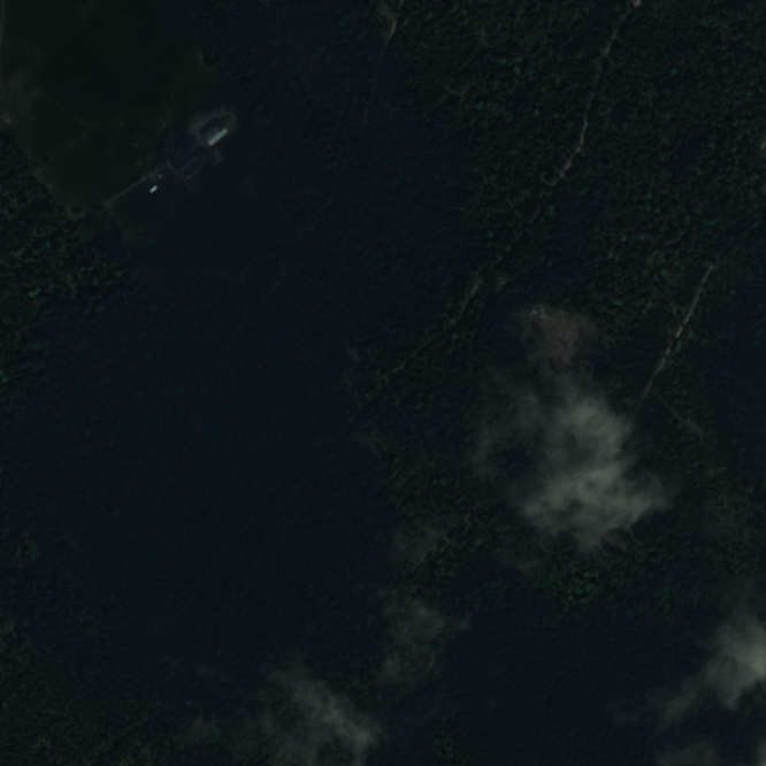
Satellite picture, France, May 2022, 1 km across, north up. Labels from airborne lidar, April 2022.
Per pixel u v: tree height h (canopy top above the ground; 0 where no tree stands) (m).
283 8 21
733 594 23
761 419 25
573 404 16
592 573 23
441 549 18
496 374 19
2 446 28
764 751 15
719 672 25
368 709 24
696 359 7
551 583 18
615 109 7
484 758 21
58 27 0
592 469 20
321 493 18
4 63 0
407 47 10
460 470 23
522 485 24
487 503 25
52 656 23
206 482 20
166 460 26
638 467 12
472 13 6
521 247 17
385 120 16
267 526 25
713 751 25
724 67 25
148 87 0
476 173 8
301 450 26
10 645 23
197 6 21
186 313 20
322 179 8
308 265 25
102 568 21
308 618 22
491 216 15
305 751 21
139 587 25
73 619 30
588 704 19
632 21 10
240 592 25
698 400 6
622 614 24
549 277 28
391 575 19
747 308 6
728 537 24
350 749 28
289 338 16
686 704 28
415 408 19
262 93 24
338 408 25
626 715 17
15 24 0
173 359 26
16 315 10
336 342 22
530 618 24
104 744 18
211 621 22
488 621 22
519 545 26
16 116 0
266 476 23
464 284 17
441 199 28
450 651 23
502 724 19
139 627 9
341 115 10
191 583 34
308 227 17
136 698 27
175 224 0
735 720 23
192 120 0
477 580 9
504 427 21
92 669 27
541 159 14
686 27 10
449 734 24
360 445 0
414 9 30
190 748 28
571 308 17
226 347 13
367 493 17
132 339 26
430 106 20
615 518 8
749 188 26
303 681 19
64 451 26
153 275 0
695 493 7
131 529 27
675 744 17
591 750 13
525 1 26
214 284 24
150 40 0
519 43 13
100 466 25
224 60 20
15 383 24
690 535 26
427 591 22
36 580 39
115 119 0
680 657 16
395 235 31
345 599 20
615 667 22
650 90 29
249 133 0
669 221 25
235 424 26
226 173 0
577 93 15
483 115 11
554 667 22
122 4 0
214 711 25
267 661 26
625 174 22
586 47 27
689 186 29
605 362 18
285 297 13
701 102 29
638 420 10
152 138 0
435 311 21
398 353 14
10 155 27
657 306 8
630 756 21
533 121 13
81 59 0
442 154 17
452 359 19
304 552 32
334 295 33
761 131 29
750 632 16
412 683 12
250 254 0
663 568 31
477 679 20
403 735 27
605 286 25
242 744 21
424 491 8
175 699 23
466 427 10
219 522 22
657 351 9
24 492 24
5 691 19
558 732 13
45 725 25
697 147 32
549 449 8
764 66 28
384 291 8
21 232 29
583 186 27
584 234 23
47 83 0
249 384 27
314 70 11
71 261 23
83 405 28
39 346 17
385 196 24
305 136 21
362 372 20
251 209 0
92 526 30
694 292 5
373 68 21
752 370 5
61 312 22
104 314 24
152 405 24
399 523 23
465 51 10
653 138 10
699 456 7
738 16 32
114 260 22
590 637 24
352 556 21
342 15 24
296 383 29
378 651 19
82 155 0
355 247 23
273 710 24
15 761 24
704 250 6
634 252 25
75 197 0
